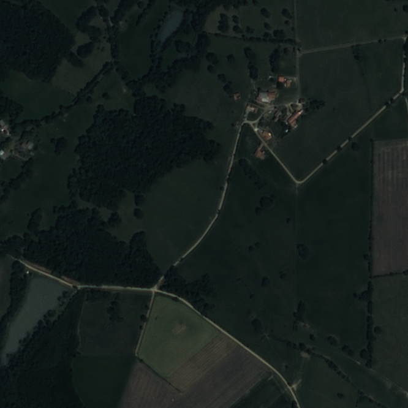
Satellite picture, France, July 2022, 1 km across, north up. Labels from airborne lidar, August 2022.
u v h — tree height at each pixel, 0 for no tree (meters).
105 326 0
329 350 0
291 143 0
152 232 0
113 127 23
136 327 0
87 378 0
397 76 0
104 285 17
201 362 0
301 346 15
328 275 0
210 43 17
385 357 0
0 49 21
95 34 22
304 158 0
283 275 13
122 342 0
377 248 0
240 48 0
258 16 0
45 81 17
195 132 25
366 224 0
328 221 0
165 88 14
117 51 24
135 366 0
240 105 0
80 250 22
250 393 0
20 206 0
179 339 0
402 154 0
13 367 24
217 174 0
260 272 0
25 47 25
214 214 0
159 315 0
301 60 0
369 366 12
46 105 0
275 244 0
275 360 0
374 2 0
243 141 0
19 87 0
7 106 13
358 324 0
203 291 9
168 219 0
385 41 7
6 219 0
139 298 0
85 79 0
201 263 0
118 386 0
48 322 17
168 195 0
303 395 0
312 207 0
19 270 17
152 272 19
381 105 0
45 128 0
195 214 0
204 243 0
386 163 0
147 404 0
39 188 0
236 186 0
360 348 0
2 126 0
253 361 0
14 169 0
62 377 9
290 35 0
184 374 0
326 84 0
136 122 28
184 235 0
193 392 0
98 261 23
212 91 0
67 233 24
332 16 0
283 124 13
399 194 0
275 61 24
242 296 0
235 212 0
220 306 0
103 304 0
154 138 21
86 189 22
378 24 0
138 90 19
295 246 0
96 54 0
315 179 0
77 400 7
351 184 0
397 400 0
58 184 0
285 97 0
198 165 0
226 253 0
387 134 0
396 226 0
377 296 0
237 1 16
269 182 0
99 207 18
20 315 0
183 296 11
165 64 0
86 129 0
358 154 0
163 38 0
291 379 0
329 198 0
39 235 20
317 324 0
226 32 16
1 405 38
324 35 0
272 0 0
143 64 0
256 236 0
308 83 0
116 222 26
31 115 0
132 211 0
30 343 12
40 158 0
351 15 0
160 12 0
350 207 0
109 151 23
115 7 0
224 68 0
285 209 0
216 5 21
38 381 8
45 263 20
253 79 19
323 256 0
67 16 0
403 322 0
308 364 0
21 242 22
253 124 0
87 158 27
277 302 0
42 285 0
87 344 0
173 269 13
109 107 0
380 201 0
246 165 17
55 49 22
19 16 22
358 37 0
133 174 23
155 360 0
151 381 0
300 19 0
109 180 25
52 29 25
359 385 0
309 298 0
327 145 0
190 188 0
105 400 0
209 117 0
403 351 0
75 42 16
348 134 0
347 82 0
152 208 0
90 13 21
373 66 0
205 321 0
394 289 0
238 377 0
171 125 24
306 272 0
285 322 0
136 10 0
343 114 0
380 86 0
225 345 0
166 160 17
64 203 0
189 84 0
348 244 0
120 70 13
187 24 14
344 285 0
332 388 0
